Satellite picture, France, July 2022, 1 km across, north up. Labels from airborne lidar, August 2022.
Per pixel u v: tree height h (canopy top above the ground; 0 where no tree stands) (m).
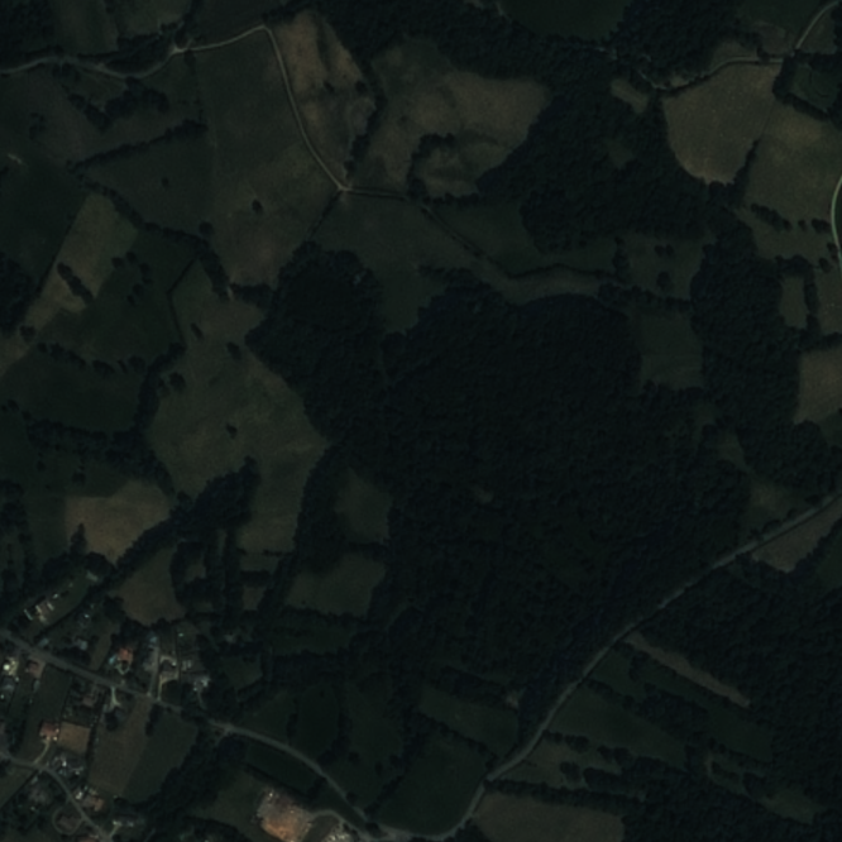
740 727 0
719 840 20
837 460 10
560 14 0
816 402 0
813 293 17
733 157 0
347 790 0
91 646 12
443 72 0
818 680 15
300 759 0
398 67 0
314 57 0
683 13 21
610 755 16
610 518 19
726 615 13
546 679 23
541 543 8
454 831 0
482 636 17
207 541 15
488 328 23
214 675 18
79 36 0
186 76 0
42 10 27
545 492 20
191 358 0
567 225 18
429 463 24
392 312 0
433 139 13
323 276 7
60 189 0
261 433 0
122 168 0
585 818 0
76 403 0
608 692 14
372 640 11
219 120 0
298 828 0
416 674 28
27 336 16
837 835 18
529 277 6
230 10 0
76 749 0
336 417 25
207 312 0
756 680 11
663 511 9
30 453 0
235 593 21
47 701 0
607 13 0
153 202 0
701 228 21
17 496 12
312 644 0
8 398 0
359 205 0
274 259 0
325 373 23
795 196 0
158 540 20
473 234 0
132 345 0
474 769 0
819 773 10
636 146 19
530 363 27
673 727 20
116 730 8
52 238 0
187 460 0
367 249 0
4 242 0
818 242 0
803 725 6
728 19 11
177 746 0
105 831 0
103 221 0
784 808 0
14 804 10
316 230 7
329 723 0
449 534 17
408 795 0
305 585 0
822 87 0
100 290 0
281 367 24
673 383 0
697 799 18
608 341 26
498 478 23
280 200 0
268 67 0
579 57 18
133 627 20
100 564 21
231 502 19
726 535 0
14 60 16
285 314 14
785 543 0
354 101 0
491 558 20
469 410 13
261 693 18
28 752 0
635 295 17
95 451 16
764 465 16
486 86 0
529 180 13
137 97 20
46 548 0
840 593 10
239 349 15
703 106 0
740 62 0
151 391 24
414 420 21
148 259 0
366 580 0
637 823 12
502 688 7
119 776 0
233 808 0
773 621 26
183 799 12
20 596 18
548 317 23
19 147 0
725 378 16
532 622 18
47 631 9
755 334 15
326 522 21
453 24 12
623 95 0
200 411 0
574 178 22
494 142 0
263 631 17
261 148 0
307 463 0
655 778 12
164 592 0
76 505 0
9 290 10
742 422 10
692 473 20
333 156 0
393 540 9
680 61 14
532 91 0
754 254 7
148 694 0
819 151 0
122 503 0
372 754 0
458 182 0
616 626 18
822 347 12
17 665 0
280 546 0
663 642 21
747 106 0
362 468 24
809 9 0
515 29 9
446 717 0
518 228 0
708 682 0
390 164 0
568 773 21
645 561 28
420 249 0
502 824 0
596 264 0
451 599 20
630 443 18
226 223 0
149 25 0
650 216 16
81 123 0
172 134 17
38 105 0
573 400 14
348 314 6
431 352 22
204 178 0
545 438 7
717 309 21
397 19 20
